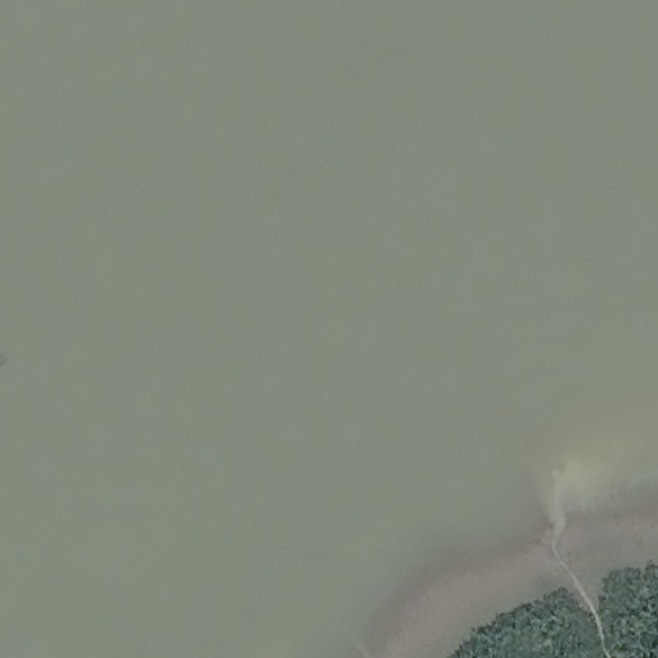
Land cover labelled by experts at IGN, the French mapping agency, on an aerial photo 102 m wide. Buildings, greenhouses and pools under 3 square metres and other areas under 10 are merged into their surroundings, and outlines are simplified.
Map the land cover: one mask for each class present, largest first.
<instances>
[{"label":"water","instance_id":"1","mask_svg":"<svg viewBox=\"0 0 658 658\"><path fill-rule=\"evenodd\" d=\"M658 560V0H0V658H447L460 648V643L470 640V632L476 627L494 622L499 614L519 604L542 599L555 589H568L576 594L583 609L591 612L599 607L601 581L609 571L645 568Z\"/></svg>","mask_w":658,"mask_h":658},{"label":"brushwood","instance_id":"2","mask_svg":"<svg viewBox=\"0 0 658 658\"><path fill-rule=\"evenodd\" d=\"M447 658H658V560L645 568L609 571L601 581L599 607L591 612L583 609L576 594L568 589H555L542 599L519 604L499 614L494 622L476 627L470 632V640L460 643V648Z\"/></svg>","mask_w":658,"mask_h":658}]
</instances>
